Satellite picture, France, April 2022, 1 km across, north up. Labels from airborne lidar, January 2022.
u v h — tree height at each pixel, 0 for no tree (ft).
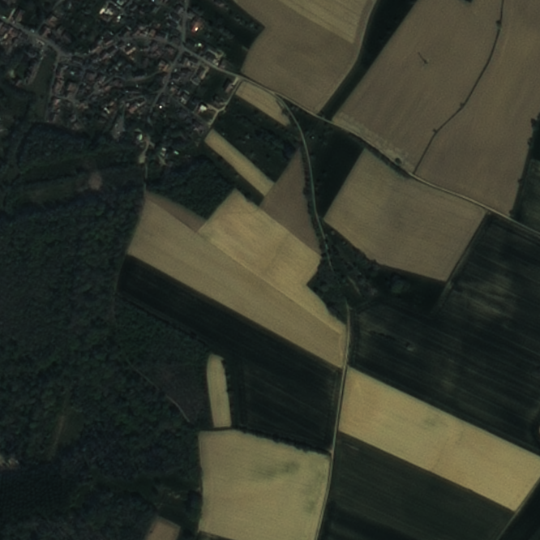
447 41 0
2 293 89
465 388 0
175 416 78
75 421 0
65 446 0
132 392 94
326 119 0
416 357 0
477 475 0
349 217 0
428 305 0
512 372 0
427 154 0
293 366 0
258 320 0
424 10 0
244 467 0
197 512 77
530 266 0
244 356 0
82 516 92
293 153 60
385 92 0
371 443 0
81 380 91
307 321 0
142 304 0
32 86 0
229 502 0
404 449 0
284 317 0
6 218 63
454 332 0
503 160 0
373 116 0
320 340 0
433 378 0
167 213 0
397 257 0
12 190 26
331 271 59
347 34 0
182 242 0
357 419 0
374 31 0
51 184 44
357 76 0
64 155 77
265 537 0
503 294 0
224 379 0
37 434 85
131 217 85
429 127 0
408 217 0
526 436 0
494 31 0
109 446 91
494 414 0
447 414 0
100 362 99
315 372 0
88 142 56
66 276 77
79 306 76
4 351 83
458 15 0
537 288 0
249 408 0
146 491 0
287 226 0
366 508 0
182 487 0
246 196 31
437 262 0
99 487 0
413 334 0
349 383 0
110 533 102
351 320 0
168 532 0
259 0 0
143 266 0
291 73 0
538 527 0
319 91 0
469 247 0
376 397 0
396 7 0
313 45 0
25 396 106
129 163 39
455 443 0
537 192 0
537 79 0
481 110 0
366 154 0
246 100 0
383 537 0
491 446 0
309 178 18
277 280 0
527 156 0
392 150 0
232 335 0
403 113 0
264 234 0
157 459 91
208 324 0
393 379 0
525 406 0
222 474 0
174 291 0
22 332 79
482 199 0
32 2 86
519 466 0
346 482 0
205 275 0
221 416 0
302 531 0
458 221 0
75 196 0
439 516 0
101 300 94
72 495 56
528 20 0
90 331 93
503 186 0
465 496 0
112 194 42
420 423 0
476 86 0
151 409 77
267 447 0
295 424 0
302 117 0
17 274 84
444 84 0
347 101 0
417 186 0
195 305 0
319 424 0
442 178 0
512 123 0
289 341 0
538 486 0
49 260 78
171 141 30
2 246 77
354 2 0
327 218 0
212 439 0
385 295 0
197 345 58
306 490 0
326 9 0
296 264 0
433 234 0
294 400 0
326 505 0
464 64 0
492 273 0
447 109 0
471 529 0
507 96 0
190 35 0
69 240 78
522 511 0
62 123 0
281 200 0
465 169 0
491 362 0
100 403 83
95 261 94
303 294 0
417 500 0
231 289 0
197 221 0
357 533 0
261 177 0
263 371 0
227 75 0
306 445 38
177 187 75
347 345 0
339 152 0
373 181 0
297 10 0
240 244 0
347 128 0
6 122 0
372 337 0
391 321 0
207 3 0
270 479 0
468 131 0
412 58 0
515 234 0
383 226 0
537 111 0
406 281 50
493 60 0
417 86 0
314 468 0
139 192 69
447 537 0
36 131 56
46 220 76
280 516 0
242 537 0
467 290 0
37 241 84
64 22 0
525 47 0
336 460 0
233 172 0
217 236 0
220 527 0
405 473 0
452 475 0
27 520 86
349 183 0
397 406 0
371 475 0
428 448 0
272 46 0
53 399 94
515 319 0
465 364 0
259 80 0
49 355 88
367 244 0
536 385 0
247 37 0
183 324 0
